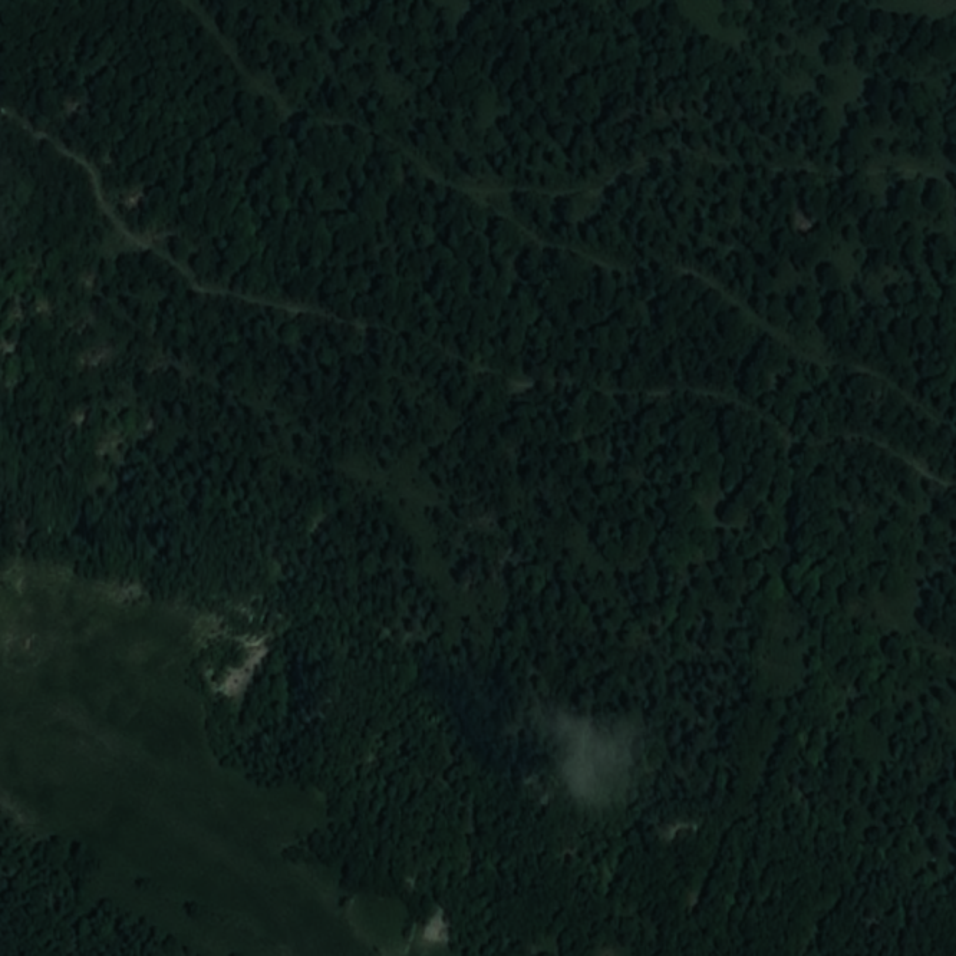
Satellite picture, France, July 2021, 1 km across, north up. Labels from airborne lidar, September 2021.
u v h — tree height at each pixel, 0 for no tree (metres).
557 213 8
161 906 0
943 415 7
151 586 13
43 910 19
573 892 27
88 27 22
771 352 34
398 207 33
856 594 24
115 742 0
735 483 34
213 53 15
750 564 19
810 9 11
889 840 27
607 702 6
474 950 17
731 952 11
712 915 24
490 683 9
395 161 28
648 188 31
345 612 14
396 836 16
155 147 24
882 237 27
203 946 0
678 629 26
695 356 11
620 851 13
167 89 31
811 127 29
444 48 13
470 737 7
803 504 33
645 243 27
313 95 10
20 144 19
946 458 11
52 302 9
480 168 37
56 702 0
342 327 12
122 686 0
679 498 33
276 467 9
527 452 20
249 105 30
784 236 28
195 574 18
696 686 22
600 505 11
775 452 32
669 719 26
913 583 0
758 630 28
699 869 24
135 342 9
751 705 29
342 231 30
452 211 35
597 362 30
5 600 0
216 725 22
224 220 31
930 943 11
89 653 0
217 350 9
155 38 23
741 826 24
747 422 32
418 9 26
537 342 33
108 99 28
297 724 26
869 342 24
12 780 0
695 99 27
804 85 0
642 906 15
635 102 28
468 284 30
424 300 28
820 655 19
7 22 36
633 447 13
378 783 20
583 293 9
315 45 18
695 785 8
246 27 19
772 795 18
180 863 0
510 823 24
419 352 26
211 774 0
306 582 18
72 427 15
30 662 0
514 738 17
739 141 31
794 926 25
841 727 27
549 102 29
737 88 29
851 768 18
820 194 23
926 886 24
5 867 22
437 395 11
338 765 17
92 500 29
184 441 9
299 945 0
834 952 27
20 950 19
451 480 11
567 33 29
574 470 12
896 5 0
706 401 8
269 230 37
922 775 22
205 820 0
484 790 21
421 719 21
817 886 22
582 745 30
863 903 20
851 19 29
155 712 0
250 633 7
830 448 13
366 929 0
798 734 18
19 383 8
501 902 23
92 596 0
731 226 7
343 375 12
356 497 8
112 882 0
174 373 8
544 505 6
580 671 30
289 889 0
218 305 15
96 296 9
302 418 9
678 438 27
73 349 11
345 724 12
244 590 22
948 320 25
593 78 25
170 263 11
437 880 14
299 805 0
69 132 17
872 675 27
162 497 25
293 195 26
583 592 31
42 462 17
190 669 8
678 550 29
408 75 30
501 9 9
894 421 10
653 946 17
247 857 0
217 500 22
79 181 13
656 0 9
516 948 24
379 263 21
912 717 23
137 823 0
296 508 9
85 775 0
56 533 15
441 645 16
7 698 0
